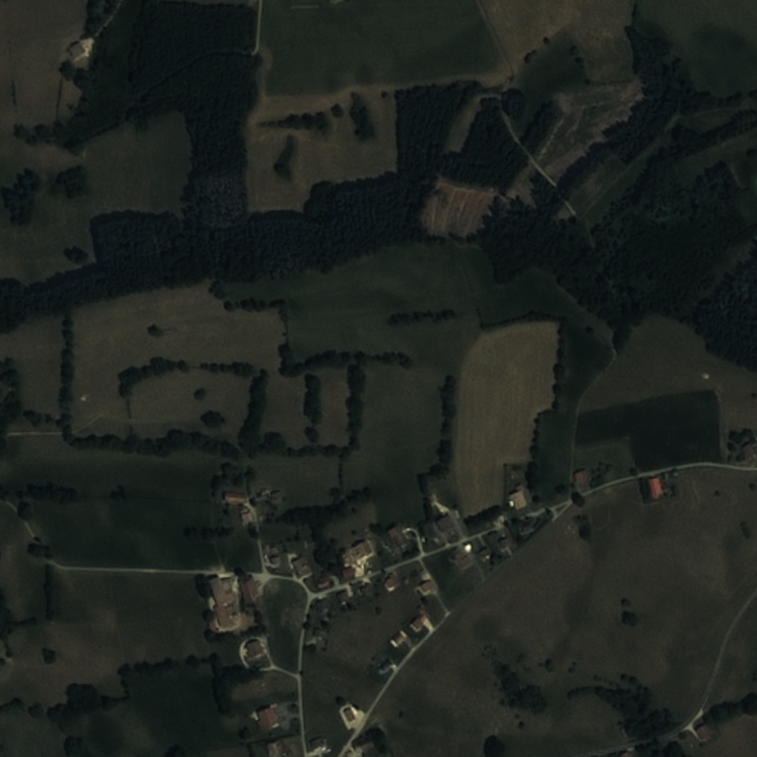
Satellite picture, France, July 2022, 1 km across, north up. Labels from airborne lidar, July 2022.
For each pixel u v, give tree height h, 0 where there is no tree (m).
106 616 0
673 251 7
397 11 0
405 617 0
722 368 0
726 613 0
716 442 0
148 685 0
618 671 0
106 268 28
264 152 0
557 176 0
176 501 0
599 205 0
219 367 13
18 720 0
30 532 0
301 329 0
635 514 0
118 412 0
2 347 0
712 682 0
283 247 32
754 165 0
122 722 0
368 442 0
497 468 0
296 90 0
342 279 0
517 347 0
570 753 0
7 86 0
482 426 0
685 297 6
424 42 0
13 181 0
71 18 0
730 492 0
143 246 30
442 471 18
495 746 24
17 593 0
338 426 0
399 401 0
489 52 0
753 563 0
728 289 14
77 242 0
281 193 0
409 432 0
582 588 0
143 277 30
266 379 15
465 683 0
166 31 15
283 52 0
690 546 0
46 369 0
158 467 0
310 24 0
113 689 0
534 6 0
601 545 0
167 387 0
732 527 0
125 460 0
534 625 0
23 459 0
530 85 0
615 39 0
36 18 0
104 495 0
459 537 0
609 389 0
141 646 0
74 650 0
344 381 0
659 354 0
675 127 0
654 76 27
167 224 24
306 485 0
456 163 23
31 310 25
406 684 0
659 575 0
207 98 14
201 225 23
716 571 0
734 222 6
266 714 0
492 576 0
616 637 0
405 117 16
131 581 0
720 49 0
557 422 0
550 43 13
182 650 0
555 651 0
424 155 13
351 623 0
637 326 14
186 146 0
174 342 0
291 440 0
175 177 0
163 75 11
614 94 0
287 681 0
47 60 0
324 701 0
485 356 0
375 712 0
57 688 0
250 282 16
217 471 0
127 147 0
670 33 0
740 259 0
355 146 0
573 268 22
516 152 16
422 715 0
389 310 0
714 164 0
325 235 27
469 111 0
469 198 0
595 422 0
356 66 0
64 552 0
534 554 0
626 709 23
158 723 0
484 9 0
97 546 0
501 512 14
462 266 0
